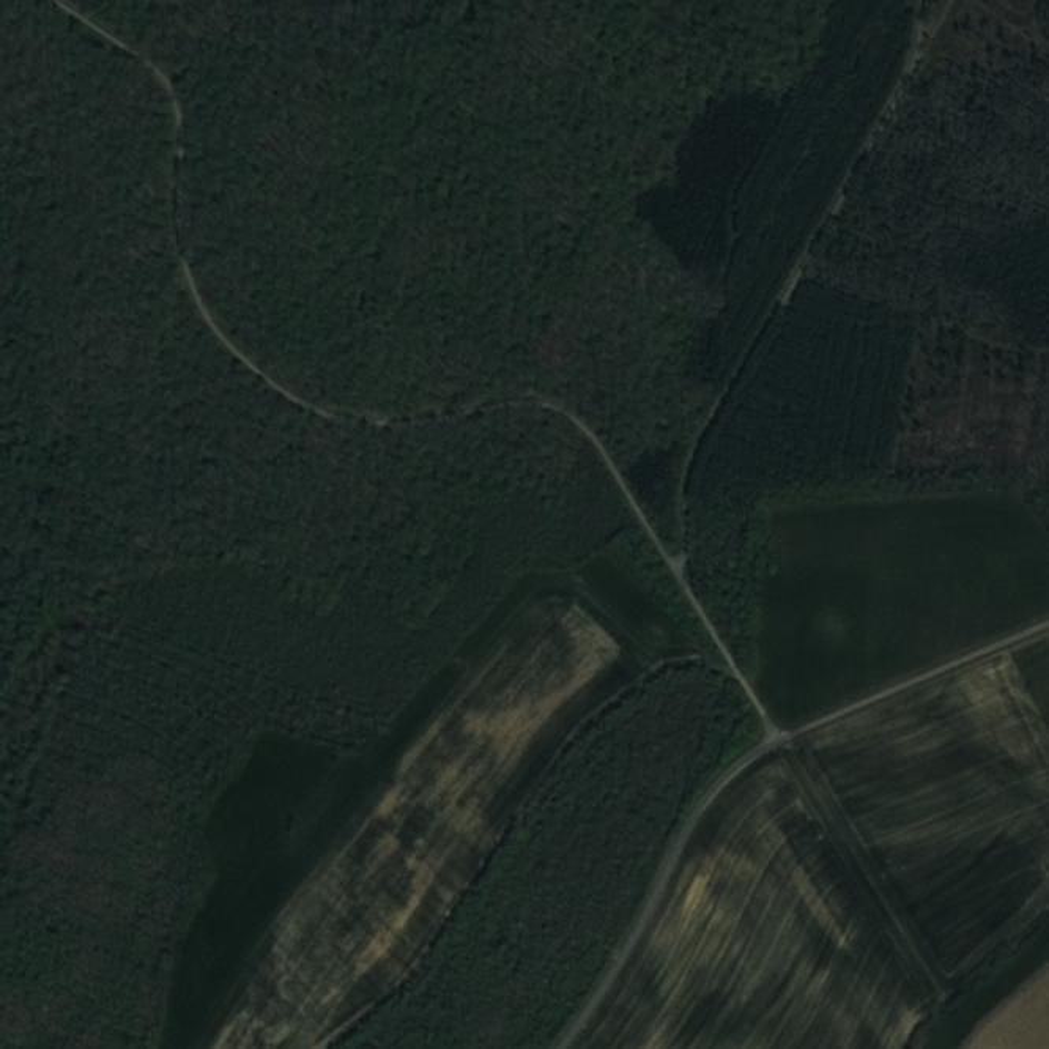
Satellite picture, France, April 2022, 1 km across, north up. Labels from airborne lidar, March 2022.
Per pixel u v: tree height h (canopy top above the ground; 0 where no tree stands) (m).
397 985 0
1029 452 0
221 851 0
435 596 21
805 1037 0
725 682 13
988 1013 0
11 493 22
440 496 22
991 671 0
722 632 15
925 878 0
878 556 0
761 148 16
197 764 15
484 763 0
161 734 16
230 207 22
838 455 17
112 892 22
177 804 19
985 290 16
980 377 0
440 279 25
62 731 15
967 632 0
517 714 0
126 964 18
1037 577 0
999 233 15
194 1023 0
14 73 24
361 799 0
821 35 22
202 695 15
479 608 14
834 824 0
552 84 21
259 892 0
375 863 0
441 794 0
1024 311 16
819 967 0
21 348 25
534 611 0
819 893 0
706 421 19
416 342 23
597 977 9
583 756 13
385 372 24
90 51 22
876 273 17
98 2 21
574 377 25
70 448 20
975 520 0
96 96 25
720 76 20
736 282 17
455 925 12
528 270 21
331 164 22
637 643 0
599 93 23
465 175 22
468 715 0
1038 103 18
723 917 0
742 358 14
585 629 0
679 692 13
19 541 24
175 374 23
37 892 19
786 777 0
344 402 22
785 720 0
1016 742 0
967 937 0
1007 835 0
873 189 15
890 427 17
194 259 19
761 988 0
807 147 18
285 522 23
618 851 15
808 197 17
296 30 24
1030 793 0
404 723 0
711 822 0
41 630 23
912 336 16
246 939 0
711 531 20
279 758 0
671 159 21
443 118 24
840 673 0
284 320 21
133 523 18
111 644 16
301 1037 0
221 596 12
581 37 24
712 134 15
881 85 19
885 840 0
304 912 0
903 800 0
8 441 21
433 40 25
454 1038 14
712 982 0
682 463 14
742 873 0
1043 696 0
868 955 0
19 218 22
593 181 22
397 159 20
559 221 23
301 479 22
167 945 18
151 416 22
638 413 18
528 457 21
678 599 14
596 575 0
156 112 23
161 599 10
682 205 13
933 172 19
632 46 21
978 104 16
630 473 12
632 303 21
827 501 16
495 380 21
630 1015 0
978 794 0
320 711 17
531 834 13
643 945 0
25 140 25
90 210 21
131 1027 18
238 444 22
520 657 0
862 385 16
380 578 18
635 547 18
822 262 15
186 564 21
